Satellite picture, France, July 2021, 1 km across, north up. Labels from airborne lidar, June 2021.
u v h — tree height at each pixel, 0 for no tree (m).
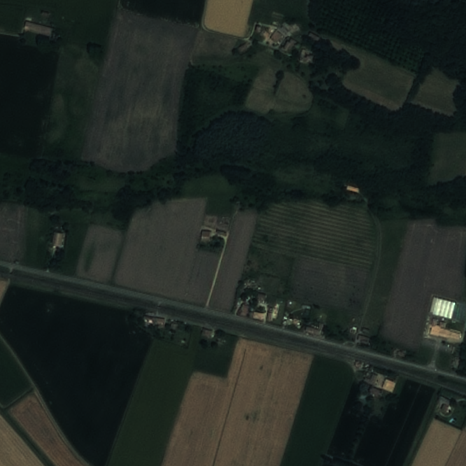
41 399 0
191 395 0
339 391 0
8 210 0
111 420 0
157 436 0
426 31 18
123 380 0
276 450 0
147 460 0
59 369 0
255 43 10
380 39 11
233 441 0
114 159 0
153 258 0
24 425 0
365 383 12
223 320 0
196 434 0
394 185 16
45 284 0
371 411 13
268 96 0
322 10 10
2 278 0
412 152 8
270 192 13
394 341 0
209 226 0
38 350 0
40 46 23
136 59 0
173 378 0
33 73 0
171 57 0
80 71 0
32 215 0
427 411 0
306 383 0
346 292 0
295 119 7
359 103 19
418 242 0
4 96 0
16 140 0
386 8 19
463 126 9
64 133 0
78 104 0
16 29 0
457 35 17
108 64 0
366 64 0
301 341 0
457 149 0
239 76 0
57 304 0
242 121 20
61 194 17
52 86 0
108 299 0
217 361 0
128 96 0
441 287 0
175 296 0
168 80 0
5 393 0
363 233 0
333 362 0
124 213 8
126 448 0
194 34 0
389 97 0
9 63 0
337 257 0
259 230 0
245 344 0
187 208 0
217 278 0
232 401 0
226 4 0
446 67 21
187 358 0
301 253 0
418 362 0
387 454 0
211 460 0
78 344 0
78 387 0
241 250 0
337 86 22
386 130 15
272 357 0
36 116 0
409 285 0
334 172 14
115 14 0
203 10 0
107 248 0
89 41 0
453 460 0
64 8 0
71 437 0
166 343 0
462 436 0
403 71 0
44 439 0
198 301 0
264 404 0
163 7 0
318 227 0
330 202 14
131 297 0
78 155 0
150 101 0
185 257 0
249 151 15
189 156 19
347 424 0
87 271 0
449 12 19
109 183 0
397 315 0
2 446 0
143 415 0
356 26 11
